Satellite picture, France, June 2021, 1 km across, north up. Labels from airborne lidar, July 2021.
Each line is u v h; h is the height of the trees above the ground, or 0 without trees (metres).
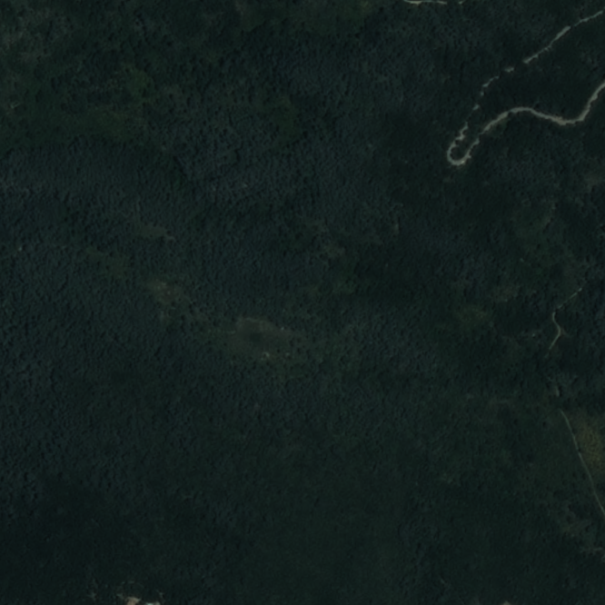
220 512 15
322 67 16
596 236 7
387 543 8
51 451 21
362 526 9
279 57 17
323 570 6
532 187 16
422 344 8
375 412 17
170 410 20
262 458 7
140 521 9
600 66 10
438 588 12
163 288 0
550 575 8
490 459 8
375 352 17
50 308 14
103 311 15
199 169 19
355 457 9
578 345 12
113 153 12
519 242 9
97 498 12
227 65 16
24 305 19
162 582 9
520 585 8
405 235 13
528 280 10
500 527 8
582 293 13
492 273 12
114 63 7
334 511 8
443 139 9
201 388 14
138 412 8
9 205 17
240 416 13
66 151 9
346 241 6
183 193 7
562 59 11
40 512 16
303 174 17
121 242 16
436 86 9
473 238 10
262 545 6
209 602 18
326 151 16
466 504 8
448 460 11
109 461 12
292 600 8
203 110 6
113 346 18
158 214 11
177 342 14
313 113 11
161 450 10
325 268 15
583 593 8
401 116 11
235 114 11
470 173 11
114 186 8
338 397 10
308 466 9
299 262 13
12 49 9
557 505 6
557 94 10
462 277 10
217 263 15
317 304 6
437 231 17
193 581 6
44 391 15
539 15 14
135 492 16
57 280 15
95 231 15
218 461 16
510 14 13
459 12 15
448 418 8
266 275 17
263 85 10
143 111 6
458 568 8
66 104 11
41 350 20
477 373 12
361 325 8
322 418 12
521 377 12
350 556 11
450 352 14
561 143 17
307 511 7
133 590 10
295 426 13
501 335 8
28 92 12
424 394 7
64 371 17
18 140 10
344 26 8
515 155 11
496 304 11
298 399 10
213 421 16
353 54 16
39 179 11
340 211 11
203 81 9
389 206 9
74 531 13
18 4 6
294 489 10
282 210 12
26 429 15
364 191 15
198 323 10
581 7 6
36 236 8
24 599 11
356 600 6
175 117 8
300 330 10
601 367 12
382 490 7
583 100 11
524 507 12
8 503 19
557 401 13
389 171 9
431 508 14
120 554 11
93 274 11
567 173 16
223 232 8
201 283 8
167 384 6
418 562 22
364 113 11
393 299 13
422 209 7
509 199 11
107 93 6
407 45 14
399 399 13
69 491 13
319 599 12
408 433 10
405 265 12
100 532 13
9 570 13
